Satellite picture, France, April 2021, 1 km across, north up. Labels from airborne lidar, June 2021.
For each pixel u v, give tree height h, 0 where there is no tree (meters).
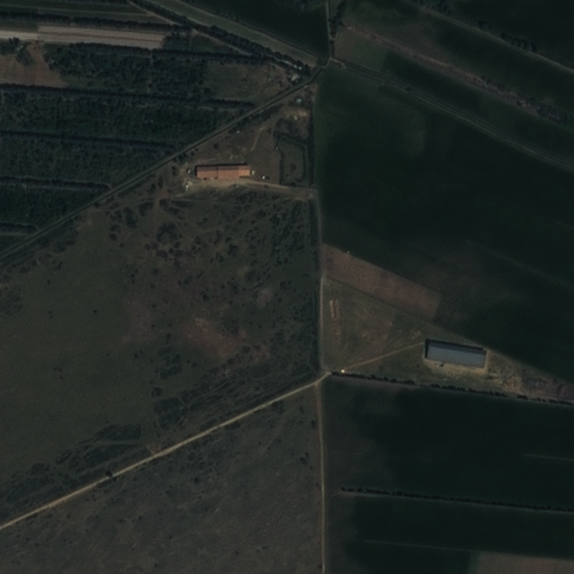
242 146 0
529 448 0
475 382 0
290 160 0
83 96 12
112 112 8
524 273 0
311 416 0
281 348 0
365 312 0
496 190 0
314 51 0
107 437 0
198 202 0
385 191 0
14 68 0
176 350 0
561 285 0
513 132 0
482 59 0
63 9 0
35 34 0
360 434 0
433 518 0
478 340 0
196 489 0
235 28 0
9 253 0
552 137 0
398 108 0
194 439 0
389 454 0
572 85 0
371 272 0
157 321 0
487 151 0
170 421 0
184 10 0
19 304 0
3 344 0
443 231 0
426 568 0
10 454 0
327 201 0
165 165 0
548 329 0
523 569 0
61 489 0
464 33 0
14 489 0
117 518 0
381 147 0
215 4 0
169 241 0
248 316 0
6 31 0
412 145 0
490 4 0
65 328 0
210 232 0
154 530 0
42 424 0
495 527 0
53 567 0
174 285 0
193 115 7
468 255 0
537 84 0
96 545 0
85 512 0
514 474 0
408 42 0
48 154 9
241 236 0
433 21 0
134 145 15
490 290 0
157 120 8
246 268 0
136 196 0
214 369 0
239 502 0
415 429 0
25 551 0
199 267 0
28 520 0
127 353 0
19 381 0
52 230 0
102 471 0
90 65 0
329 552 0
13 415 0
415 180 0
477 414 0
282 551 0
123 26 14
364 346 0
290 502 0
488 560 0
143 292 0
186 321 0
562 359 0
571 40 0
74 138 10
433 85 0
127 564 0
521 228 0
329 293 0
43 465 0
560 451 0
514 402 0
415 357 0
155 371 0
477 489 0
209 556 0
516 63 0
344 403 0
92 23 15
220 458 0
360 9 0
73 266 0
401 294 0
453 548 0
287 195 0
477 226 0
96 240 0
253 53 13
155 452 0
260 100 0
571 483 0
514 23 0
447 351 0
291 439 0
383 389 0
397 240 0
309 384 0
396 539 0
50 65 14
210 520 0
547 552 0
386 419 0
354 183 0
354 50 0
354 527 0
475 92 0
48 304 0
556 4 0
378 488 0
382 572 0
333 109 0
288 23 0
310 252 0
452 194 0
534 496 0
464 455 0
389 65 0
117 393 0
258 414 0
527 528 0
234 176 0
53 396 0
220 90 0
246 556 0
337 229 0
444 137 0
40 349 0
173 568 0
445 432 0
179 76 6
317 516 0
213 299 0
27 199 6
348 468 0
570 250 0
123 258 0
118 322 0
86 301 0
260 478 0
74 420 0
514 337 0
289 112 0
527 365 0
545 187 0
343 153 0
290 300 0
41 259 0
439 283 0
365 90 0
